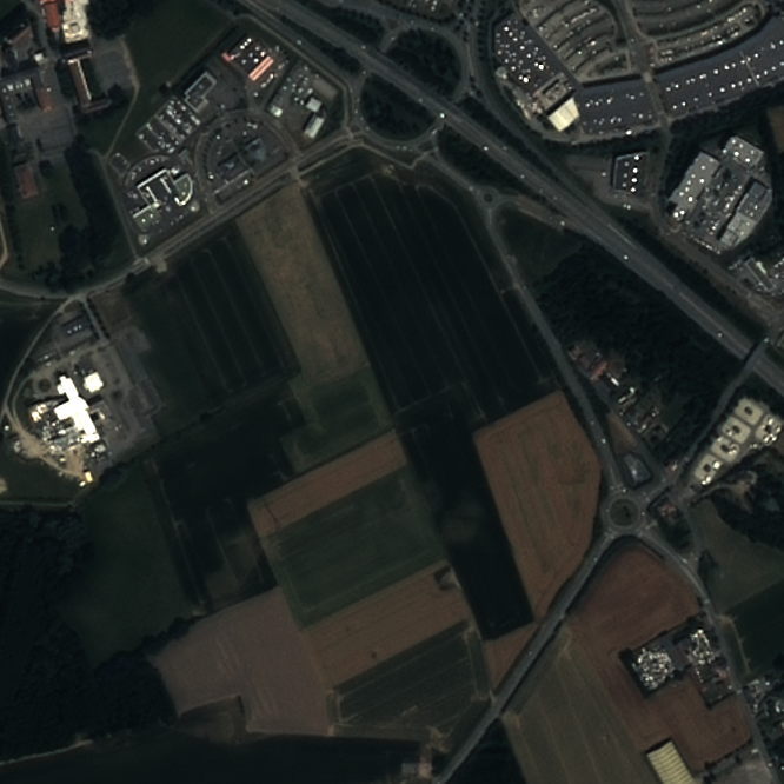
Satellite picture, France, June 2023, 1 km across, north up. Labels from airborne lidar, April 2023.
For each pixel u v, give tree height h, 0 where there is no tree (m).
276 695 0
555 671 0
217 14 0
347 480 0
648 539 0
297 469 0
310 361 0
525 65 0
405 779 0
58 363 0
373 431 0
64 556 29
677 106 0
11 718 14
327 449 0
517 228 0
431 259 0
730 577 0
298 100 0
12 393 0
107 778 0
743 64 0
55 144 0
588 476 0
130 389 0
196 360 0
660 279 0
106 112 13
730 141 0
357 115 0
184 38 0
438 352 0
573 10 0
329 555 0
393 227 0
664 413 0
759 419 0
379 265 0
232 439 0
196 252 0
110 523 0
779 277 0
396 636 0
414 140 0
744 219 0
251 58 0
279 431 0
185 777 0
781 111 0
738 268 0
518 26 0
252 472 0
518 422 0
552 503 0
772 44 0
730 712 0
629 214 0
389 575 0
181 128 0
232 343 0
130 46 0
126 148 0
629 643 0
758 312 0
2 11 0
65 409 0
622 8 0
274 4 0
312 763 0
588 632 0
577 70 0
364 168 0
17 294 0
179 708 0
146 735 0
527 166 0
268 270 0
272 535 0
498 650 0
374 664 0
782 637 0
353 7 0
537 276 0
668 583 0
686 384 7
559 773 0
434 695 0
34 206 0
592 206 0
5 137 0
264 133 0
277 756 0
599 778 0
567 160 0
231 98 0
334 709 0
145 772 0
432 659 0
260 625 0
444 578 0
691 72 0
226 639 0
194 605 0
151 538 0
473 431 0
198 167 0
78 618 0
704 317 0
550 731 0
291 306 0
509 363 0
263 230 0
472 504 0
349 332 0
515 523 0
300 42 0
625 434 0
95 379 0
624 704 0
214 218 0
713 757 0
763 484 12
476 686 0
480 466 0
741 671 0
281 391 0
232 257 0
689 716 0
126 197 0
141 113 0
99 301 0
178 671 0
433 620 0
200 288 0
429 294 0
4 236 0
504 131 10
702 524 0
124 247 0
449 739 0
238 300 0
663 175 0
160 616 0
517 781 13
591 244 9
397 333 0
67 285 23
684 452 6
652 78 0
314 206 0
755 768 0
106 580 0
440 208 0
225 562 0
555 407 0
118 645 0
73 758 0
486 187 0
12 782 0
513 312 0
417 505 0
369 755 0
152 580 0
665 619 0
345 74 0
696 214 0
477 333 0
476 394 0
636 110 0
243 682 0
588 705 0
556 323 7
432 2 0
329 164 0
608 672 0
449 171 0
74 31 0
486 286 0
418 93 0
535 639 0
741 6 0
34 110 0
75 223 0
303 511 0
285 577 0
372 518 0
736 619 0
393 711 0
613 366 0
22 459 0
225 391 0
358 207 0
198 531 0
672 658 0
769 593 0
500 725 7
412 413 0
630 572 0
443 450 0
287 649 0
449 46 0
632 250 0
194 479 0
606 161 0
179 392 0
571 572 0
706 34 0
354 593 0
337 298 0
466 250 0
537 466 0
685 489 0
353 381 0
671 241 0
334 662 0
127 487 0
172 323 0
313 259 0
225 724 0
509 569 0
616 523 0
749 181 0
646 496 0
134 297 0
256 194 0
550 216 0
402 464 0
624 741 0
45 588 35
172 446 0
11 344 0
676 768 0
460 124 0
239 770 0
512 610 0
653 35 0
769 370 0
